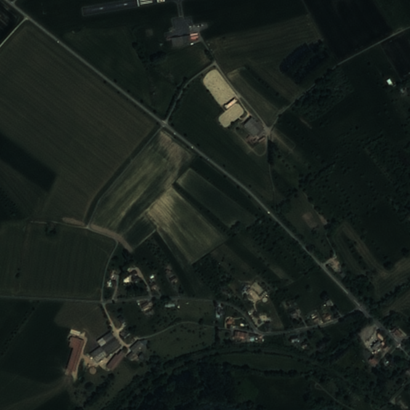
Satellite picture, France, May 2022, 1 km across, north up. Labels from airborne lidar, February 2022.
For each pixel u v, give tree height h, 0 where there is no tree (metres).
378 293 0
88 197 0
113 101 0
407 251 18
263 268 0
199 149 0
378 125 0
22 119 0
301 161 0
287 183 0
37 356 0
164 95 0
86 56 0
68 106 0
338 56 0
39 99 0
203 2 0
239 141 0
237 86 0
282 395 0
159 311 0
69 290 0
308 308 0
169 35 0
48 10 0
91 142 0
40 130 0
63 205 0
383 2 0
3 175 0
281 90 0
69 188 0
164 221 0
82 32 0
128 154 0
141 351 0
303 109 6
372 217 0
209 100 0
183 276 0
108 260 0
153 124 0
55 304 0
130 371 0
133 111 0
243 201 0
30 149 0
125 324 0
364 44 0
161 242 0
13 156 0
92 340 0
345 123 0
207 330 0
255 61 0
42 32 0
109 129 0
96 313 0
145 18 0
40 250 0
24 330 0
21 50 0
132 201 0
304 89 0
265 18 0
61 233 0
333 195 0
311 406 17
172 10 0
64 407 0
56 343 0
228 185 0
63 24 0
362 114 0
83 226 0
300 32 0
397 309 0
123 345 0
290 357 9
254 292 0
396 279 0
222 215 0
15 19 0
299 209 0
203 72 0
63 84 0
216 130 0
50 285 0
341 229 0
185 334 0
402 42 0
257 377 0
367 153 0
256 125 0
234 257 0
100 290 0
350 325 10
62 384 0
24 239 0
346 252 0
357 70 0
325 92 13
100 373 0
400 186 10
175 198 0
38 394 0
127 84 0
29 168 0
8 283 0
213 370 31
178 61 0
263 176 0
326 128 0
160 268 0
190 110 0
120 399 9
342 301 0
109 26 0
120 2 0
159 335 0
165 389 28
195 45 0
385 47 0
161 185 0
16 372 0
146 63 14
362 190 0
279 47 0
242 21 0
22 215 0
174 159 0
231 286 0
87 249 0
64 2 0
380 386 18
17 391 0
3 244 0
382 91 0
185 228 0
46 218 0
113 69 0
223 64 0
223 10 0
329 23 0
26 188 0
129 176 0
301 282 0
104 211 0
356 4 0
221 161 0
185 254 0
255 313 12
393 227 0
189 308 0
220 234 0
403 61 0
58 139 0
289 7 0
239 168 0
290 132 0
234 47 0
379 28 0
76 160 0
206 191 0
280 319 0
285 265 0
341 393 9
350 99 0
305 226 0
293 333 0
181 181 0
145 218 0
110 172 0
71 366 0
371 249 0
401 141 0
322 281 0
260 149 0
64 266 0
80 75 0
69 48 0
